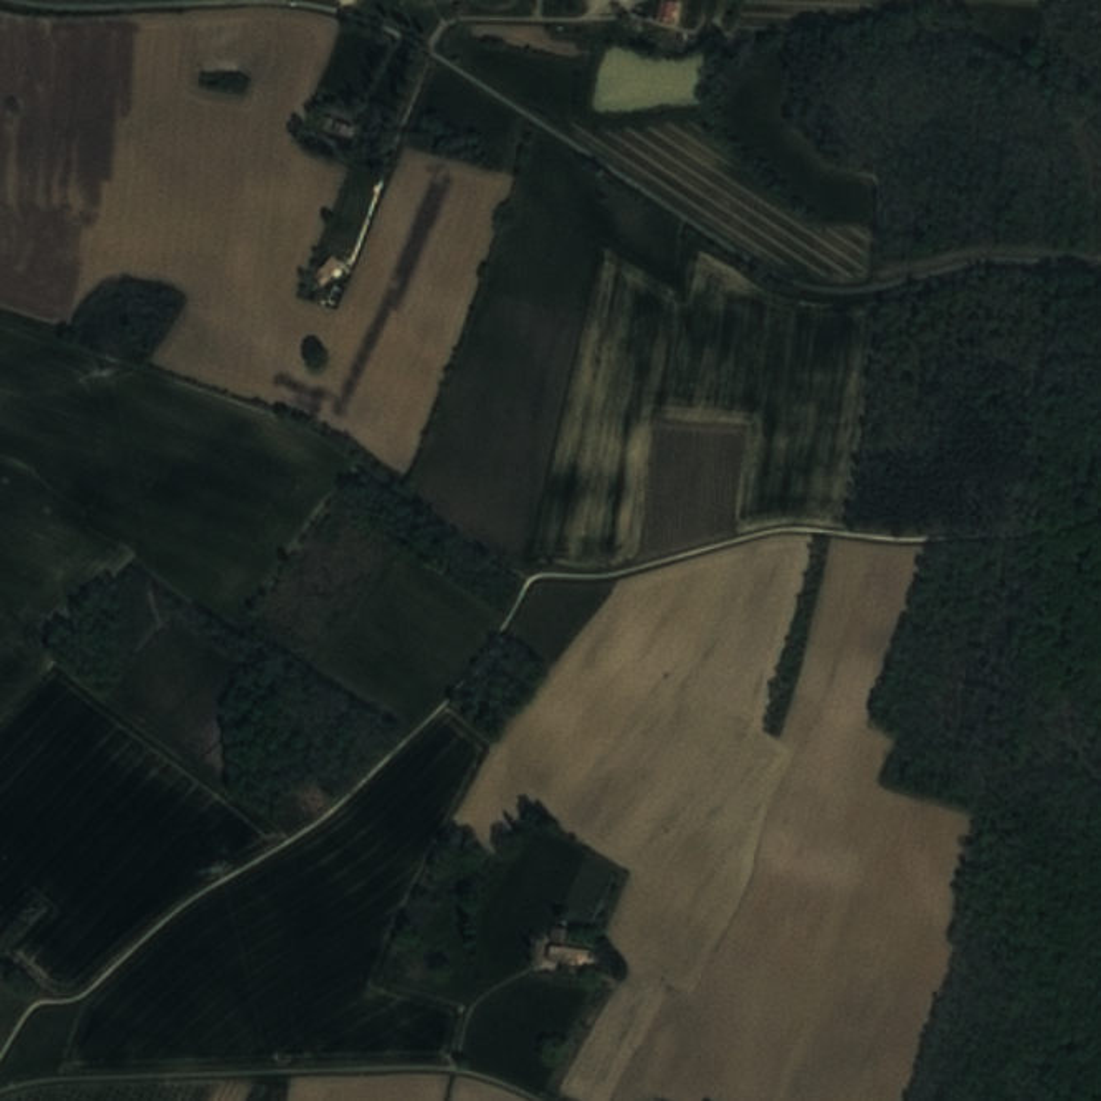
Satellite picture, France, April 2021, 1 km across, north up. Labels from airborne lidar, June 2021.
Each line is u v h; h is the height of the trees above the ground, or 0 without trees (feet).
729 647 0
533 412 0
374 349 0
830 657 0
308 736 59
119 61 0
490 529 0
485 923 0
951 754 51
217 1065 0
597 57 0
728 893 0
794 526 0
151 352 21
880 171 58
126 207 0
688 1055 0
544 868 0
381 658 0
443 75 0
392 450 0
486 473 0
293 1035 0
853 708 0
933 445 45
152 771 0
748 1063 0
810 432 0
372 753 46
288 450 0
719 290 0
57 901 0
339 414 0
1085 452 51
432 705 0
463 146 56
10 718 0
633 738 0
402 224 0
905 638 48
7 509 0
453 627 0
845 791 0
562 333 0
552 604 0
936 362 36
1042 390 52
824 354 0
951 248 34
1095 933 57
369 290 0
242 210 0
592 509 0
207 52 0
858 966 0
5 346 0
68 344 45
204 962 0
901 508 53
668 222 0
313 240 0
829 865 0
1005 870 54
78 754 0
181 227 0
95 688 37
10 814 0
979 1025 70
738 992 0
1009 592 53
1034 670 70
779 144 0
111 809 0
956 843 0
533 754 0
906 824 0
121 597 35
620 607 0
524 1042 0
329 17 0
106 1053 0
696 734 0
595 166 40
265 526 0
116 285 34
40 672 0
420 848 0
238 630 26
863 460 39
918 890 0
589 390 0
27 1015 0
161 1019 0
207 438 0
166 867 0
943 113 50
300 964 0
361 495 52
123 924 0
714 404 0
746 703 0
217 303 0
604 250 0
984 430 56
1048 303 40
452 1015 0
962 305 35
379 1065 0
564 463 0
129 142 0
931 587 54
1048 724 59
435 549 46
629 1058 0
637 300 0
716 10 0
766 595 0
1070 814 58
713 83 36
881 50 39
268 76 0
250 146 0
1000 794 42
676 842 0
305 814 0
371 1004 0
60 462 0
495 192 0
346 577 0
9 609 0
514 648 58
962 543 54
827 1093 0
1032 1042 66
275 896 0
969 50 58
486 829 0
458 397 0
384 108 38
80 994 0
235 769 60
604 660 0
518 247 0
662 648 0
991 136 39
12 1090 0
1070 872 62
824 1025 0
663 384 0
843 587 0
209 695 0
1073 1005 62
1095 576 58
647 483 0
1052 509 65
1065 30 18
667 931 0
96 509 0
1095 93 80
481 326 0
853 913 0
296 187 0
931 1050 58
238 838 0
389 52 34
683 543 0
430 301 0
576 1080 0
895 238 66
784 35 31
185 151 0
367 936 0
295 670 69
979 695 46
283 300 0
